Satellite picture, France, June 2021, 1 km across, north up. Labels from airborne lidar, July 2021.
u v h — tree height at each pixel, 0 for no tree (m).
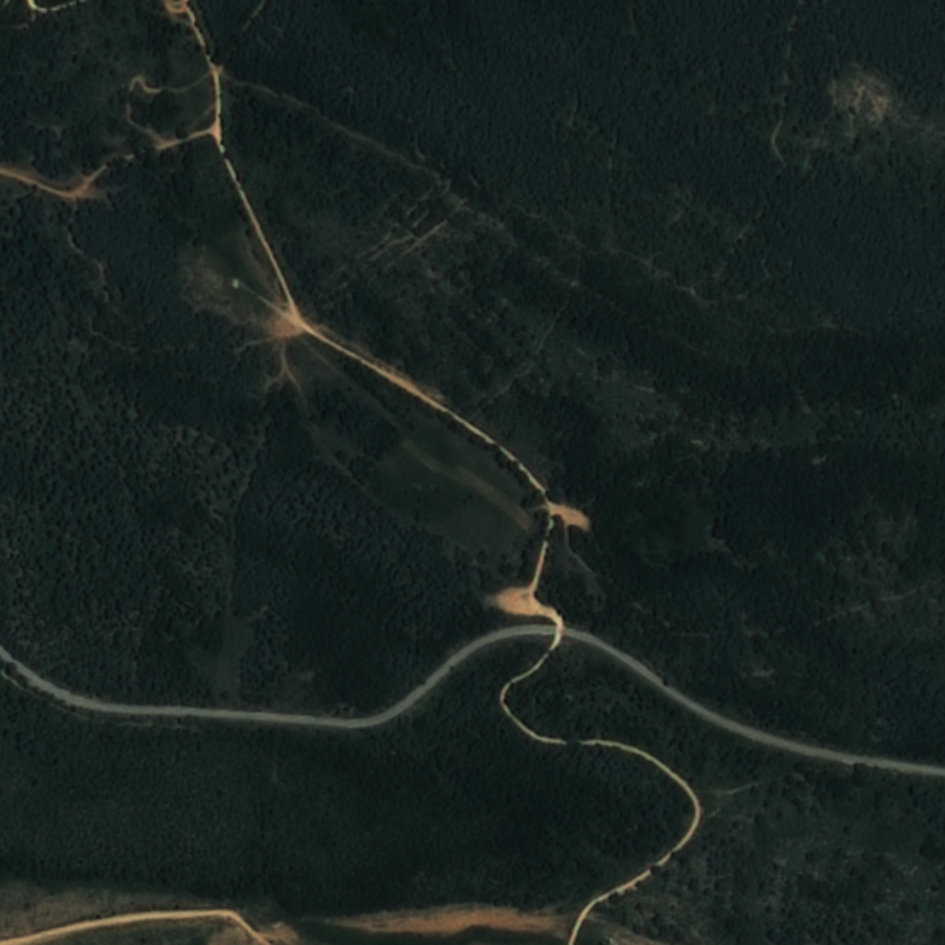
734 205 12
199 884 12
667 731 7
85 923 0
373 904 11
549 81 12
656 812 17
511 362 9
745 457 10
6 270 11
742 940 9
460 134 6
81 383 9
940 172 6
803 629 9
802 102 7
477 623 11
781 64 12
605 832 8
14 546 10
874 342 9
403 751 7
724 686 11
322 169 8
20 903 0
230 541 11
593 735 14
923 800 14
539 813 12
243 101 6
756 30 11
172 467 12
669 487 11
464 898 6
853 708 10
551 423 6
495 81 8
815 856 7
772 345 7
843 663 8
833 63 11
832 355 9
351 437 8
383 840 7
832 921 12
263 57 10
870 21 10
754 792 11
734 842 7
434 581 8
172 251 10
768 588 7
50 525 14
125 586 13
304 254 7
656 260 5
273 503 13
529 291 10
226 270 0
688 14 12
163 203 9
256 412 10
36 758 18
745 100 13
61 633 9
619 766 13
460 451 0
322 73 10
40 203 8
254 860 7
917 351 11
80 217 12
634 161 7
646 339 11
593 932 0
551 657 7
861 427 10
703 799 0
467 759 6
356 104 8
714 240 6
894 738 13
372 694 10
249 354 9
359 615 10
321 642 11
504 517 0
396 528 14
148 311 10
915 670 10
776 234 10
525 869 10
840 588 7
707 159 11
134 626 10
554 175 6
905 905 6
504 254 6
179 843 8
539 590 7
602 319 8
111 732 7
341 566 12
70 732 8
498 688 8
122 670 7
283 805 8
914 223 12
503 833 9
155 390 12
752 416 12
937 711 17
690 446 7
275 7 9
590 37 10
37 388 11
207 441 8
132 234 11
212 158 0
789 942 14
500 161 9
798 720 13
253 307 0
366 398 0
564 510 0
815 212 12
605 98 11
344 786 6
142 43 9
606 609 8
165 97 10
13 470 14
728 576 11
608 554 10
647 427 8
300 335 0
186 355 10
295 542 10
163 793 7
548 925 0
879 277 8
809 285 10
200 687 8
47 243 13
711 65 13
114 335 6
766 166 11
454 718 11
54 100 10
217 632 9
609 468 8
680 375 13
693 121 13
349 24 6
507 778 6
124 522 13
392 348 8
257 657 6
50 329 13
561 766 10
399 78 12
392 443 11
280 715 0
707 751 12
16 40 7
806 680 7
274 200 7
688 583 10
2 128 9
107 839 7
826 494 12
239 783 8
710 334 8
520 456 0
